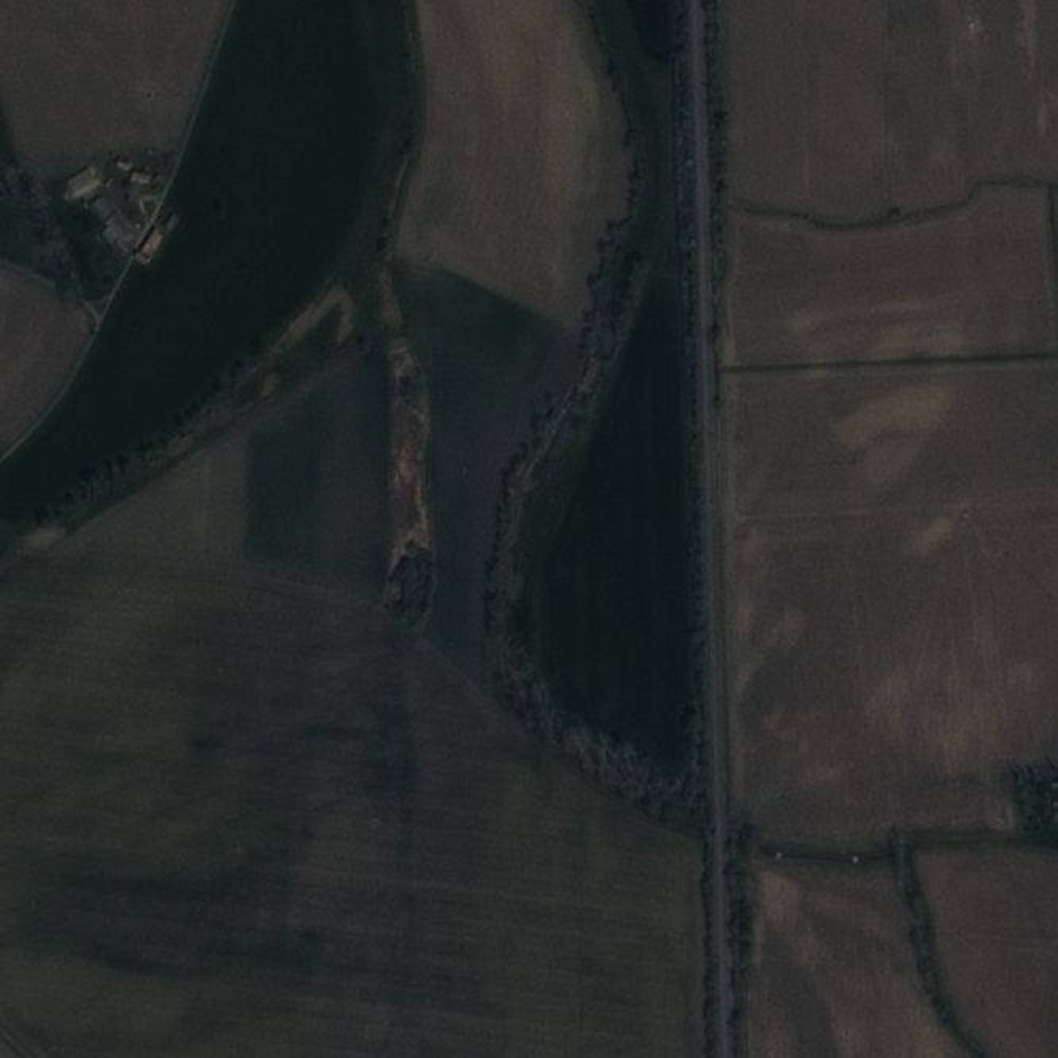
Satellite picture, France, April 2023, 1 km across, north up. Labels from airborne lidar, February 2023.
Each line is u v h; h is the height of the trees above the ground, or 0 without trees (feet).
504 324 0
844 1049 0
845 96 0
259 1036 0
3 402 0
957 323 0
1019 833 0
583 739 98
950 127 0
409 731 0
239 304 0
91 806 0
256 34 0
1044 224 0
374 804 0
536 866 0
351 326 0
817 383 0
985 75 0
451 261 0
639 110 0
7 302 0
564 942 0
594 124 0
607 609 0
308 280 0
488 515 0
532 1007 0
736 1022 40
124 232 0
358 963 0
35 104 0
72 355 0
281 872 0
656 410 0
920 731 0
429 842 0
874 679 0
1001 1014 0
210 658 0
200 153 0
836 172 0
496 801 0
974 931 0
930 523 0
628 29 0
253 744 0
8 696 0
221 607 0
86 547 0
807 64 0
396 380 0
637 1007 0
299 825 0
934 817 0
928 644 0
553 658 0
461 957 0
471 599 0
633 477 0
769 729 0
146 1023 0
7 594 0
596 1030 0
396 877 0
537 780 0
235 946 0
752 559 0
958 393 0
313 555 0
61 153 0
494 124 0
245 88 0
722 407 40
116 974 0
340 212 0
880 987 0
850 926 0
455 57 0
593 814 0
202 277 0
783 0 0
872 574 0
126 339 0
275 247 0
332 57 0
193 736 0
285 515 0
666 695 0
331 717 0
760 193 0
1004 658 0
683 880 0
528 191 0
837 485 0
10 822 0
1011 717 0
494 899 0
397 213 0
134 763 0
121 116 0
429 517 0
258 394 0
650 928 0
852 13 0
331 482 0
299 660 0
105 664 0
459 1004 0
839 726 0
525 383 0
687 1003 0
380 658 0
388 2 0
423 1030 0
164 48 0
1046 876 0
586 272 0
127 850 0
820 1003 0
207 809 0
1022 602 0
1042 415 0
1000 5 0
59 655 0
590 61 0
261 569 0
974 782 0
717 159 28
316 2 0
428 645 0
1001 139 0
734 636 0
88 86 0
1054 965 0
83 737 0
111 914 0
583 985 0
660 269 0
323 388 0
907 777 0
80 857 0
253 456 0
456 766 0
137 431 0
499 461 0
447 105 0
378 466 0
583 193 0
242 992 0
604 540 0
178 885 0
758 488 0
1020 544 0
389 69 0
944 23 0
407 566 40
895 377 0
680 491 0
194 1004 0
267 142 0
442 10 0
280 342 0
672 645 0
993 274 0
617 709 0
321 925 0
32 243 0
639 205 38
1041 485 0
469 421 0
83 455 0
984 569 0
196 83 0
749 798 0
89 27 0
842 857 0
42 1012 0
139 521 0
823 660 0
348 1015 0
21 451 0
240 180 0
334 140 0
